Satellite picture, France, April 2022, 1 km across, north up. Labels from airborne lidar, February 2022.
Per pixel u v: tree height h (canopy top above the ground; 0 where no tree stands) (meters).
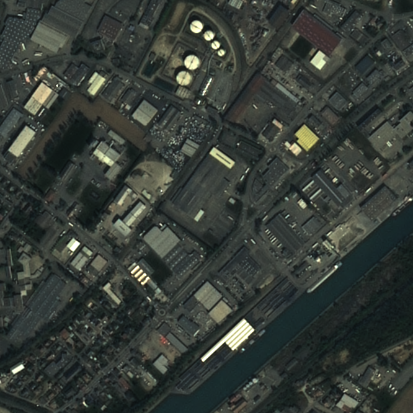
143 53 0
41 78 0
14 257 8
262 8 0
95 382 0
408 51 0
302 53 0
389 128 0
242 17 0
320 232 0
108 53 0
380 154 0
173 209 0
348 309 0
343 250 0
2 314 0
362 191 0
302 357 0
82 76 0
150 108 0
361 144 0
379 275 0
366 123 0
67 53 0
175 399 0
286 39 0
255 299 0
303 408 0
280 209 0
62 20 0
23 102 0
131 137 0
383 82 0
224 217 0
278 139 0
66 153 0
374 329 11
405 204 0
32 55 0
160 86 0
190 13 0
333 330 0
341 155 0
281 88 0
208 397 0
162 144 0
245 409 0
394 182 0
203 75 0
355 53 0
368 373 0
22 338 0
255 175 0
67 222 0
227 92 0
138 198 0
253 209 0
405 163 0
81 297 10
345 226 0
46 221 0
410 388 0
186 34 0
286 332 0
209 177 0
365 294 0
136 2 0
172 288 0
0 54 0
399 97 0
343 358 0
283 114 0
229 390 0
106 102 0
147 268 0
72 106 0
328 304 0
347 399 0
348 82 0
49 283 0
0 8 0
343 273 0
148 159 0
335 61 0
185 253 0
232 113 0
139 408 14
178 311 0
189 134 0
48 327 14
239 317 0
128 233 0
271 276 0
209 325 0
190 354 11
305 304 0
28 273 0
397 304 18
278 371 0
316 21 0
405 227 0
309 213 0
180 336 0
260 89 0
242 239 0
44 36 0
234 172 0
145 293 0
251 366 0
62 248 0
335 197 0
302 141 0
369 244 0
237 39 0
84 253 0
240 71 0
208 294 0
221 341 0
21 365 0
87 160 0
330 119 0
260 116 0
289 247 0
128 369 0
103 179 0
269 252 0
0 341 0
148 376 0
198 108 0
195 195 0
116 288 0
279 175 0
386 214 0
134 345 0
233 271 0
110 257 0
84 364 0
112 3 0
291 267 0
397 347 0
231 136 0
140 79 0
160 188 0
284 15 0
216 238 0
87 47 0
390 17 0
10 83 0
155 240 0
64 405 0
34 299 0
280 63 0
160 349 0
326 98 0
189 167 0
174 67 0
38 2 0
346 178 0
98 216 19
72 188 0
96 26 0
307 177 0
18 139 0
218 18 0
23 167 0
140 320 0
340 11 0
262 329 0
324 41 0
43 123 0
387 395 0
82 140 0
